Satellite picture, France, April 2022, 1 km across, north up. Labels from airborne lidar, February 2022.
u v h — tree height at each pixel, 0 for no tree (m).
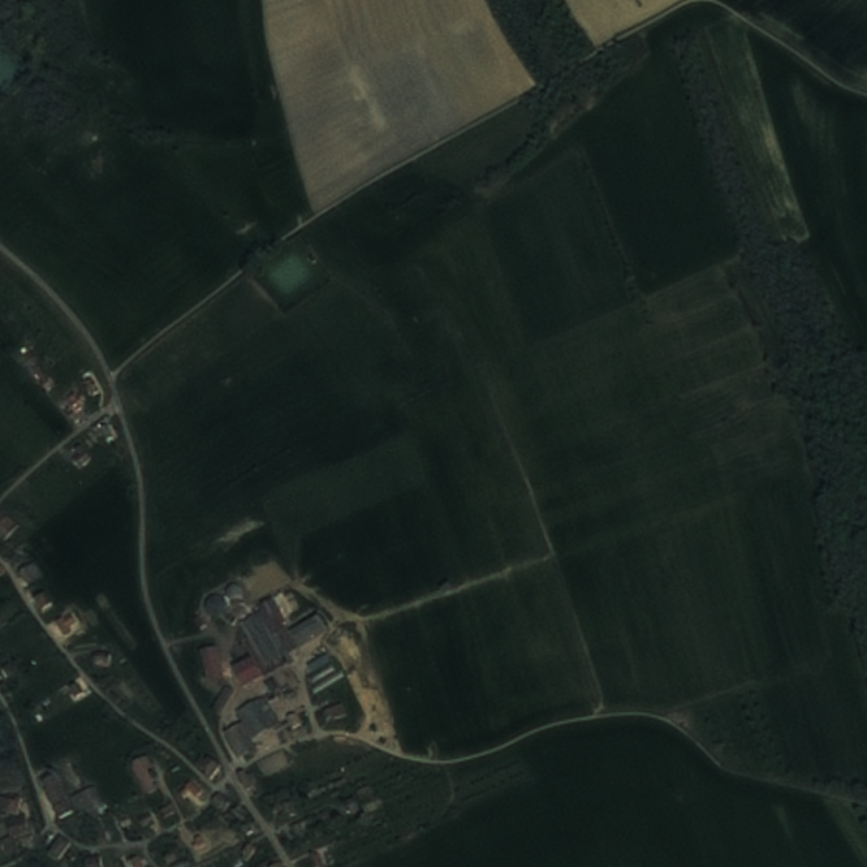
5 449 0
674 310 0
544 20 14
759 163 0
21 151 0
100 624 0
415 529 0
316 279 0
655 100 0
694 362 0
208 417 0
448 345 0
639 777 0
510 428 0
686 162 0
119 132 0
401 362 0
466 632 0
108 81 0
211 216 0
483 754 0
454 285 0
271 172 0
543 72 12
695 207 0
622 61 13
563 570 0
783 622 0
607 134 0
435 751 0
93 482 0
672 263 0
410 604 0
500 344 0
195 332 0
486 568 0
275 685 0
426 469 0
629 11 0
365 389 0
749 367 0
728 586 0
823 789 12
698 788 0
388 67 0
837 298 0
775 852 0
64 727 0
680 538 0
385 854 0
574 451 0
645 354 0
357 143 0
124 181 0
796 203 0
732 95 0
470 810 0
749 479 0
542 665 0
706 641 0
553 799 0
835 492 20
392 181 0
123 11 0
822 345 20
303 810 0
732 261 0
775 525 0
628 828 0
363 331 0
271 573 0
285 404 0
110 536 0
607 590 0
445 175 0
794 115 0
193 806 0
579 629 0
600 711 0
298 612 0
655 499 0
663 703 0
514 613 0
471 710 0
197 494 0
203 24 0
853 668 0
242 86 0
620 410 0
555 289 0
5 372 0
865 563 21
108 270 0
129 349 0
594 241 0
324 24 0
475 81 0
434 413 0
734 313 0
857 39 0
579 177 0
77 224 0
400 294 0
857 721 0
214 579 0
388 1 0
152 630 0
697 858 0
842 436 20
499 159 0
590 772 0
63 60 14
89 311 0
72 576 0
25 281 0
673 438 0
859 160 0
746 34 0
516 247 0
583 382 0
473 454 0
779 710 0
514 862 0
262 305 0
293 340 0
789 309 20
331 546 0
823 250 0
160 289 0
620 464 0
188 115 0
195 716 0
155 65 0
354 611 0
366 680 0
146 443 0
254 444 0
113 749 0
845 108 0
